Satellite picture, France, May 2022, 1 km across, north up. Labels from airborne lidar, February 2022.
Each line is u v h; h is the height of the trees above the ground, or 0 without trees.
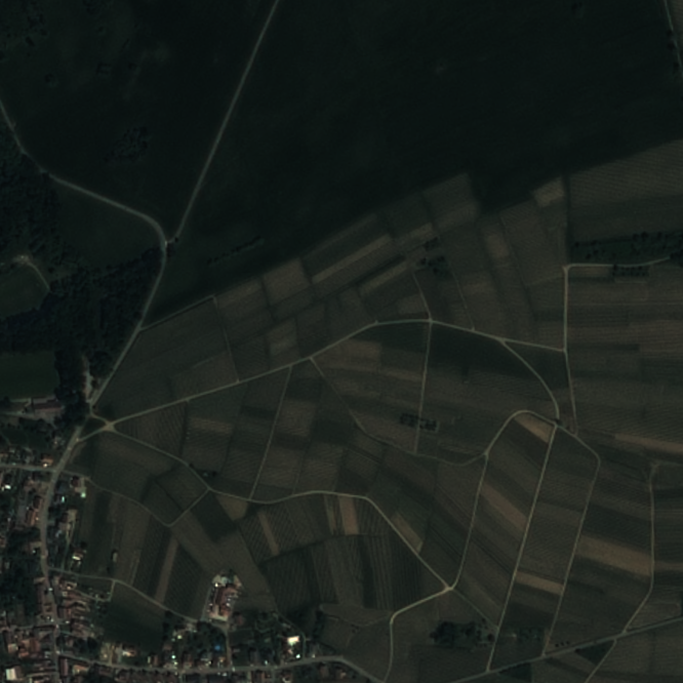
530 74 0
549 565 0
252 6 0
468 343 0
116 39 0
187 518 0
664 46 0
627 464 0
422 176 0
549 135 0
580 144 0
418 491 0
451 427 0
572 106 0
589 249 0
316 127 0
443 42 0
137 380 0
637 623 0
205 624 8
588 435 0
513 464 0
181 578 0
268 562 0
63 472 0
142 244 0
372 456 0
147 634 0
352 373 0
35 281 0
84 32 0
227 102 0
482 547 0
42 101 0
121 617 0
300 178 0
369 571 0
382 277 0
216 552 0
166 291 0
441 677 0
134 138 8
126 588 0
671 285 0
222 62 0
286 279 0
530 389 0
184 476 0
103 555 0
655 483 0
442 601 0
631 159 0
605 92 0
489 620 0
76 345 18
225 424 0
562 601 0
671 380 0
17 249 0
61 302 21
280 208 0
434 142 0
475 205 0
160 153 0
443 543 0
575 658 0
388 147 0
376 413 0
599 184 0
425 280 0
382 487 0
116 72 0
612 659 0
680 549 0
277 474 0
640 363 0
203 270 0
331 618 0
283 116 0
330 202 0
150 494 0
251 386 0
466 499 0
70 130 0
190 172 0
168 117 0
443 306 0
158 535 0
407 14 0
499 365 0
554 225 0
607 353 0
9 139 24
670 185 0
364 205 0
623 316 0
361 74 0
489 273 0
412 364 0
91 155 0
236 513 0
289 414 0
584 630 0
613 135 0
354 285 0
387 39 0
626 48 0
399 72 0
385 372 0
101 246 0
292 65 0
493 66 0
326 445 0
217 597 0
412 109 0
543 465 0
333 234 0
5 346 26
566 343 0
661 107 0
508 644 0
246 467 0
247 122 0
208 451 0
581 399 0
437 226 0
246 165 0
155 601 0
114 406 0
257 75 0
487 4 0
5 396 0
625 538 0
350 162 0
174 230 0
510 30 0
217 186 0
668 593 0
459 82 0
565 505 0
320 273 0
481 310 0
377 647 0
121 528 0
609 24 0
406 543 0
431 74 0
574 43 0
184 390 0
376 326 0
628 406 0
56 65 0
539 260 0
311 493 0
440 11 0
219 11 0
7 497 0
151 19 0
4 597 7
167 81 0
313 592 0
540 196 0
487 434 0
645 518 0
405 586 0
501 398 0
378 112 0
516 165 0
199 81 0
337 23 0
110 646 0
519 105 0
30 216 22
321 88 0
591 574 0
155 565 0
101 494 0
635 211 0
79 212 0
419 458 0
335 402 0
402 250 0
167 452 0
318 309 0
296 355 0
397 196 0
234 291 0
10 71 0
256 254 0
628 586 0
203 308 0
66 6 0
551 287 0
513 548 0
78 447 0
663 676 0
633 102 0
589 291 0
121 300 15
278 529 0
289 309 0
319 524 0
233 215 0
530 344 0
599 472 0
